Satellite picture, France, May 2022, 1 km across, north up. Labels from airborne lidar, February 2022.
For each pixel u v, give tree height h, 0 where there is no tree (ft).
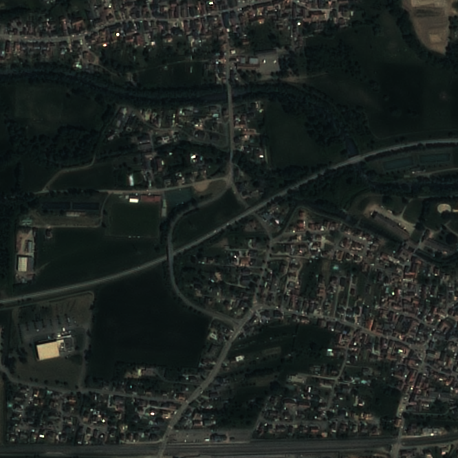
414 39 57
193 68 0
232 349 0
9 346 0
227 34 0
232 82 39
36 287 0
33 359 0
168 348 0
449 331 0
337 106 33
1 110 58
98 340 0
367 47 0
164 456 0
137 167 0
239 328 0
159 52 0
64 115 0
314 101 59
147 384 24
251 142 0
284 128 0
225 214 0
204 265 0
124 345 0
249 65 0
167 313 0
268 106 0
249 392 0
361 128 44
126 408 22
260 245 0
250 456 0
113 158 0
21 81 48
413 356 0
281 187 43
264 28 0
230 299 0
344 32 0
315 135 70
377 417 0
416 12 0
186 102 61
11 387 22
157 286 0
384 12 0
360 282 0
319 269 0
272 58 0
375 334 0
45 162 66
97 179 0
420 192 75
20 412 0
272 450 0
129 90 45
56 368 0
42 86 0
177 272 42
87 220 0
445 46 0
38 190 0
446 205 0
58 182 0
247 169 55
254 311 0
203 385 0
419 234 0
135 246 0
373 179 46
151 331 0
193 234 0
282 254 0
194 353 0
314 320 0
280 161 0
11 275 0
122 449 0
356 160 0
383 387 18
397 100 0
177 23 0
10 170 0
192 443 0
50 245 0
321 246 0
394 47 0
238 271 20
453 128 0
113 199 0
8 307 0
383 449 0
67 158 76
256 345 0
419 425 31
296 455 0
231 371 0
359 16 0
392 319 0
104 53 39
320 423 0
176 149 47
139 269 0
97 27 0
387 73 0
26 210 60
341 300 0
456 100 0
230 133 0
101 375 0
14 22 0
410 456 0
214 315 0
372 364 0
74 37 0
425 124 0
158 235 0
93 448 0
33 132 0
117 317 0
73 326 0
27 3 0
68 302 0
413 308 0
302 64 0
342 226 0
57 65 52
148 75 0
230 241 0
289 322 17
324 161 0
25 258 0
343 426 0
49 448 0
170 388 0
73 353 0
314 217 0
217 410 19
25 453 0
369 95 0
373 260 0
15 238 0
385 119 0
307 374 0
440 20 0
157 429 0
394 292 0
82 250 0
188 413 0
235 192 0
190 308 27
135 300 0
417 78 0
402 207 0
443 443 0
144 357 0
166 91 66
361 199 0
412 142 0
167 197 0
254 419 0
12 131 49
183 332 0
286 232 0
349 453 0
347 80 0
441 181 61
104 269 0
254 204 0
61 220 0
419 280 0
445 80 0
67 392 0
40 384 0
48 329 0
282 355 0
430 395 0
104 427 0
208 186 0
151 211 0
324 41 0
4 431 0
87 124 0
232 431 0
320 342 0
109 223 0
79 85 68
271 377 0
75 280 0
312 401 20
